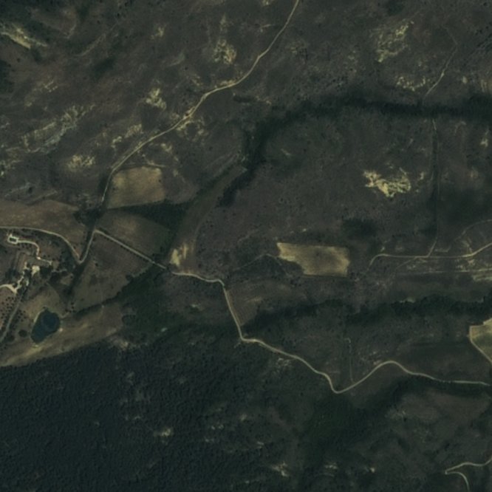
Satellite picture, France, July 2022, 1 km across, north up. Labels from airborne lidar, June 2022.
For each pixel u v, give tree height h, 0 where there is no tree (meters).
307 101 7
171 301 5
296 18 0
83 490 14
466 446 0
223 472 7
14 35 0
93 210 6
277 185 0
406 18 0
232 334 9
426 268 0
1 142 0
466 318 0
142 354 10
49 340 0
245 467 8
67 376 9
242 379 7
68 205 0
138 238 0
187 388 7
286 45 0
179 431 10
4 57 0
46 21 0
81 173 0
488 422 0
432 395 0
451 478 0
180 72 0
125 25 0
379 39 0
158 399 11
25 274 7
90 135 0
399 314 10
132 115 0
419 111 9
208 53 0
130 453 5
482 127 0
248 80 0
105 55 0
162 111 0
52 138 0
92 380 11
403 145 0
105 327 0
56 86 0
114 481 10
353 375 0
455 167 0
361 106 9
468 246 0
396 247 0
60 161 0
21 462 12
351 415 8
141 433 8
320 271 0
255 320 7
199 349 9
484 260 0
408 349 0
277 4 0
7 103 0
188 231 0
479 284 0
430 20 0
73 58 0
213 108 0
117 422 13
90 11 0
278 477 7
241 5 0
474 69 8
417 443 0
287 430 0
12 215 0
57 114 0
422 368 0
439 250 0
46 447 15
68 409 10
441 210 0
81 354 6
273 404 6
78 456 11
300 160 0
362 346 0
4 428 13
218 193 0
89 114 0
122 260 0
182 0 0
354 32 0
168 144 0
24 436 15
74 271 7
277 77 0
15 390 12
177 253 0
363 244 0
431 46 0
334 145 0
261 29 0
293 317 8
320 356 0
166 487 11
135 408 13
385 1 0
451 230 0
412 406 0
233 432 7
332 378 0
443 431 0
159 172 0
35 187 0
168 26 0
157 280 13
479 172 0
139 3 0
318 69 0
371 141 0
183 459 11
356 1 0
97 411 13
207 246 0
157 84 0
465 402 0
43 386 9
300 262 0
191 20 0
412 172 0
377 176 0
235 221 0
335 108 6
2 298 0
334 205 0
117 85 0
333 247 0
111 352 10
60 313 0
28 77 0
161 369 11
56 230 0
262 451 11
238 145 0
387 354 0
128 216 0
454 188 0
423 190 0
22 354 0
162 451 10
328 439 8
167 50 0
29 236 7
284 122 7
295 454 0
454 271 0
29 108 0
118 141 0
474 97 8
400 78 0
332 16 0
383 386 0
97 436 11
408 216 0
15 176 0
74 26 0
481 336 0
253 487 10
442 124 0
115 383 8
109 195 0
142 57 0
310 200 0
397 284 0
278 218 0
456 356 0
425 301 12
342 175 0
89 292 0
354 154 0
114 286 0
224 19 0
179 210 8
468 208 0
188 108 0
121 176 0
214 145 0
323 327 0
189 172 0
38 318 0
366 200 0
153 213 8
